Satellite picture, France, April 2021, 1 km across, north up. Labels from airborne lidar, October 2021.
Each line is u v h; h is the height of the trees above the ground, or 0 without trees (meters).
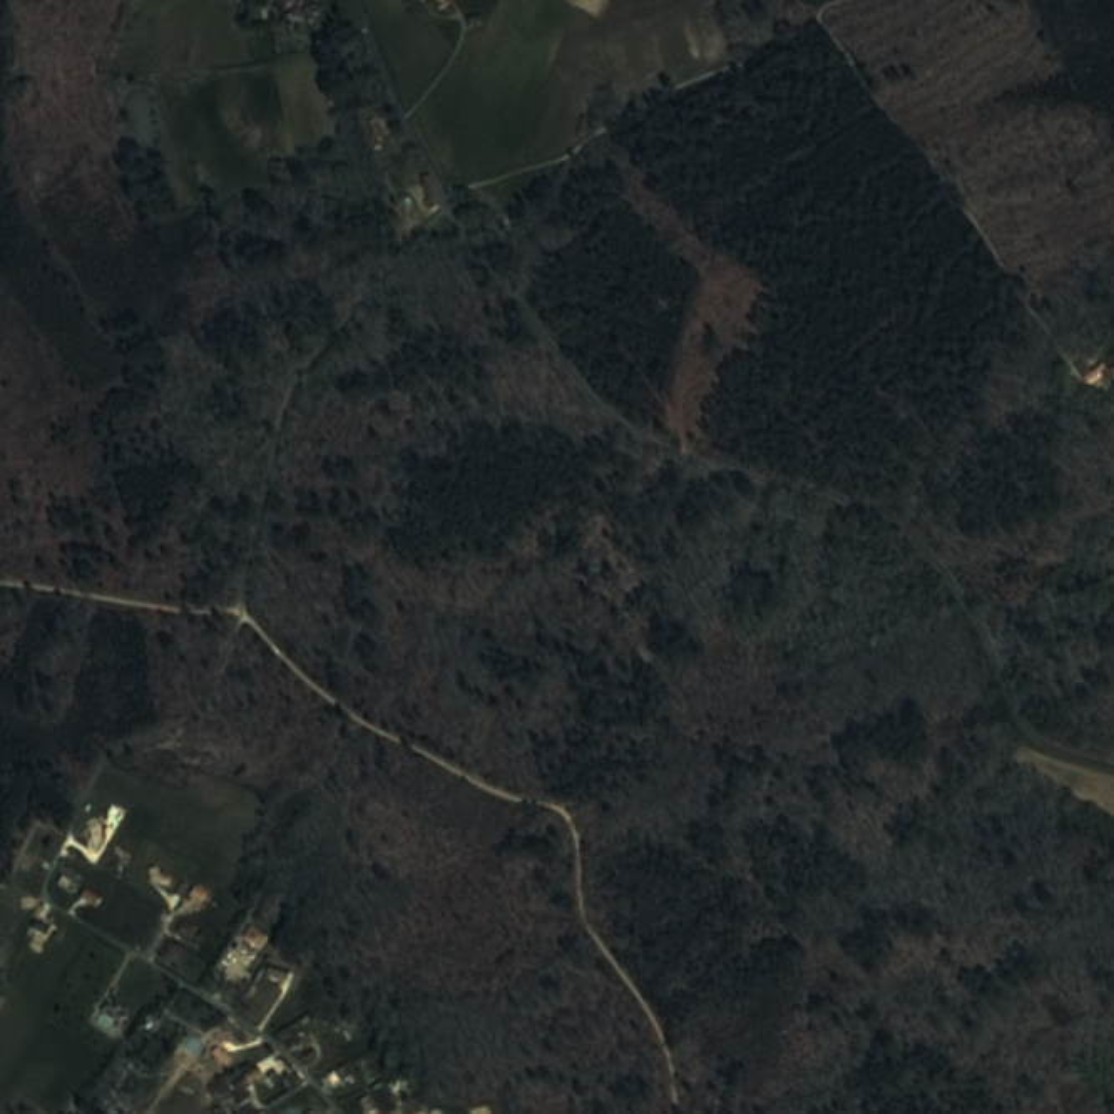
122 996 0
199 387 9
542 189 12
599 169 10
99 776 0
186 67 0
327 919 16
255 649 9
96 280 6
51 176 7
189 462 10
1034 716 22
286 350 20
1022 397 18
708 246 26
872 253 14
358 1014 8
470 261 15
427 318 15
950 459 20
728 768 21
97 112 11
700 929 7
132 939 0
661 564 19
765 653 16
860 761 28
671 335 16
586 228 21
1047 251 20
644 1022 10
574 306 23
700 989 10
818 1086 16
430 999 7
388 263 16
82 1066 0
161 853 0
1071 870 17
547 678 18
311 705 7
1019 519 30
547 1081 19
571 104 0
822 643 19
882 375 10
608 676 9
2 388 8
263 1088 0
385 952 10
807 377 13
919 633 15
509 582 13
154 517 16
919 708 12
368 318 13
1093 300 17
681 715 8
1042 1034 6
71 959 0
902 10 11
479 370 23
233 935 8
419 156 14
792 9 11
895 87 19
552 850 20
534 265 16
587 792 15
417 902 10
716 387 0
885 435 23
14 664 7
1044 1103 34
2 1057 0
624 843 8
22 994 0
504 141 0
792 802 11
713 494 21
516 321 28
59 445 10
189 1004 18
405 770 8
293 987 0
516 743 20
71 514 15
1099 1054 16
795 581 21
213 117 0
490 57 0
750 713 6
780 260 13
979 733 24
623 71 0
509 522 23
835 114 12
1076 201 19
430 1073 18
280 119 0
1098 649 16
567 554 23
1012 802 20
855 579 17
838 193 15
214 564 16
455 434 15
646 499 14
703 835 11
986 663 15
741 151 13
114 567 15
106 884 0
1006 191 12
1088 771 0
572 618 6
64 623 11
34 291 6
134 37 0
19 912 0
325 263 15
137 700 7
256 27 6
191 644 9
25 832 10
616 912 7
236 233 10
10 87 6
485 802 0
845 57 9
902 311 12
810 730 13
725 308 0
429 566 24
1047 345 15
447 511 23
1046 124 19
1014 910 15
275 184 8
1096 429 22
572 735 8
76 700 8
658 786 11
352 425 7
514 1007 12
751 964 7
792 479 27
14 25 10
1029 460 24
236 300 11
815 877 23
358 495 11
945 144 16
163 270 6
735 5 11
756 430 22
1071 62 8
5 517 10
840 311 12
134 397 13
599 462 23
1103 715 14
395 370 11
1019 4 17
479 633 12
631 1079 9
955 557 20
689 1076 20
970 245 19
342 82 25
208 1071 0
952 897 14
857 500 26
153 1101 0
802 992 7
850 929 11
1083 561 17
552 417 17
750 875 10
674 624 16
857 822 16
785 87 22
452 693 17
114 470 6
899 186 13
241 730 17
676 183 12
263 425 11
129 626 8
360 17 0
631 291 11
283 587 14
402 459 11
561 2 0
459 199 11
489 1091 14
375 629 25
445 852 8
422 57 0
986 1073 7
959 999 0
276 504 16
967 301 14
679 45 0
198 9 0
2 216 6
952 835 18
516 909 6
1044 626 22
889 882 15
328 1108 0
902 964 0
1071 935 22
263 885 10
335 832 17
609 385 24
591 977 15
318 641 14
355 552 14
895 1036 15
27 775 17
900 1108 14
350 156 16
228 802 0
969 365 25
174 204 22
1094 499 19
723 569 20
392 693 11
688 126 23
